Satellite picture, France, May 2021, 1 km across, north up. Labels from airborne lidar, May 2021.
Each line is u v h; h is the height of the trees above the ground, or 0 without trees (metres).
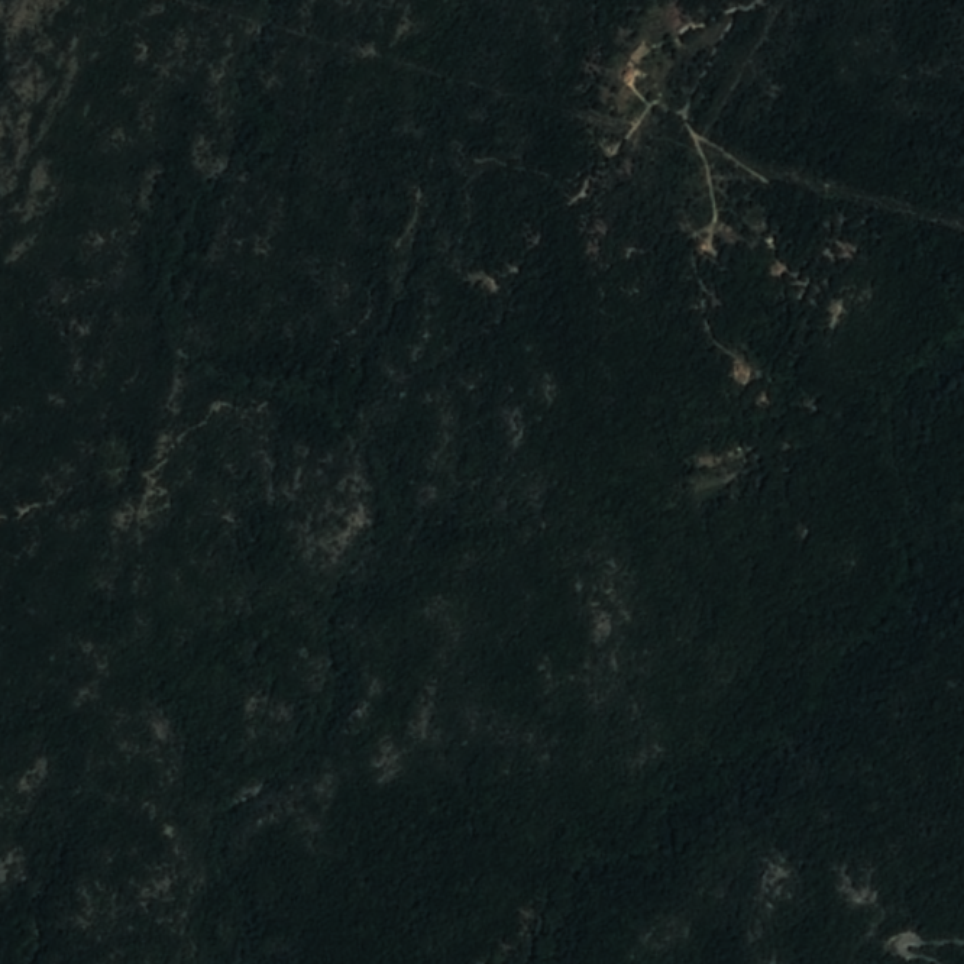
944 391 15
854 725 9
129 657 5
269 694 9
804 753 10
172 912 6
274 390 11
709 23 14
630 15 11
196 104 8
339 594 10
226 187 5
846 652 19
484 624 9
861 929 8
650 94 8
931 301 13
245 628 11
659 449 8
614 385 7
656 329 9
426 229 5
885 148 10
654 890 14
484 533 9
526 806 9
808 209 11
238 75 13
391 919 13
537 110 8
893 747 6
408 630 8
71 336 10
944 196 9
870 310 7
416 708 8
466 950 12
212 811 6
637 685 7
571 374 9
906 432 11
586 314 7
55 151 8
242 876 13
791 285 13
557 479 6
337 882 9
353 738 8
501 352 9
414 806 10
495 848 7
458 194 9
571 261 9
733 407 11
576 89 6
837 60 6
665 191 8
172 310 19
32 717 11
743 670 12
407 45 8
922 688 5
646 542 11
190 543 5
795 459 12
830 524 12
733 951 10
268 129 20
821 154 9
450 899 11
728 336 11
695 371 8
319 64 6
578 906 12
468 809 12
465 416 7
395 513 16
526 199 7
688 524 11
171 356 11
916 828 7
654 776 11
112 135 6
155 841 9
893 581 16
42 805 8
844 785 6
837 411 17
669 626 8
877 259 12
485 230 7
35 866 11
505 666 8
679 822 20
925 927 11
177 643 7
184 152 7
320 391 11
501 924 12
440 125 6
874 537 17
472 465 14
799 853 9
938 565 12
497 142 9
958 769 10
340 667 15
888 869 9
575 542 7
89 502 6
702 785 17
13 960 12
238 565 8
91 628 8
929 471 8
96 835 9
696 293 8
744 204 9
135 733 6
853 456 11
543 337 7
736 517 13
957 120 12
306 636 8
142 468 5
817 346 8
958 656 11
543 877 18
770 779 8
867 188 9
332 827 10
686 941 6
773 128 8
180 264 13
